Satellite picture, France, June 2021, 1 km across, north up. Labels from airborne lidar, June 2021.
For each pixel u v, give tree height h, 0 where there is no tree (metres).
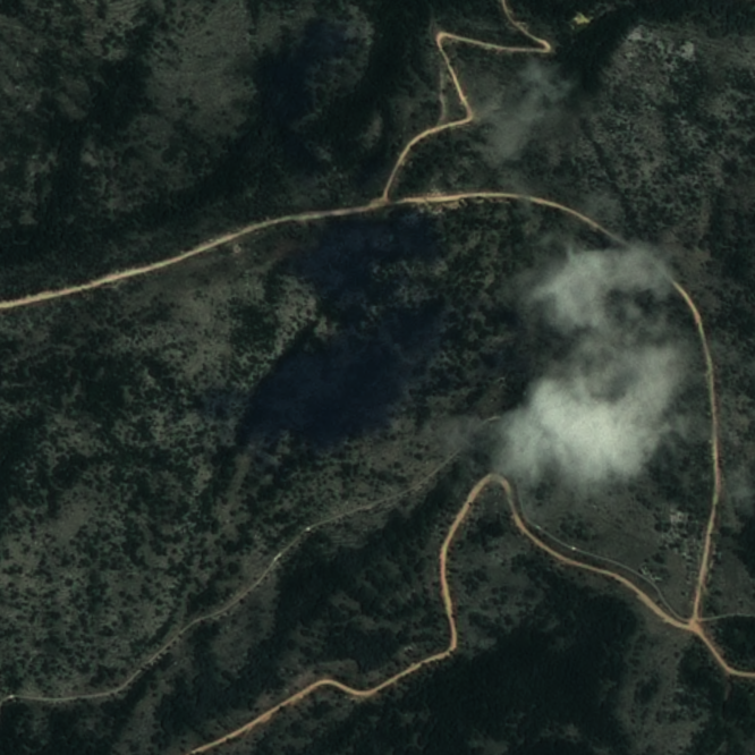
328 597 6
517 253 10
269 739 9
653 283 9
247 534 6
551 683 15
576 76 10
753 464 8
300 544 8
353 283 6
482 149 0
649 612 0
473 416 0
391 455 0
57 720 8
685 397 7
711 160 0
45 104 6
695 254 0
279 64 10
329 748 7
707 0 11
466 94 0
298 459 7
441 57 0
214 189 9
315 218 0
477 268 8
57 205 8
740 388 6
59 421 0
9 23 0
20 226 9
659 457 7
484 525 10
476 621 8
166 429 0
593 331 0
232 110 0
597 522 0
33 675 6
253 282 0
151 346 0
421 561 7
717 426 0
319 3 6
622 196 6
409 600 7
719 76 0
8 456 9
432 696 8
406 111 0
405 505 5
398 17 8
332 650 10
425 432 0
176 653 0
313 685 0
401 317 10
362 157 6
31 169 0
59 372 7
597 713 9
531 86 8
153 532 8
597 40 14
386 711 9
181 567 6
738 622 12
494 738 8
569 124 0
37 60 6
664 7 9
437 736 9
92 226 6
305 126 7
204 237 0
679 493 7
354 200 0
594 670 11
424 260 0
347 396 7
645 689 6
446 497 7
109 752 7
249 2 7
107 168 6
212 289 0
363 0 7
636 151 0
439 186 0
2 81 0
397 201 0
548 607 9
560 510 0
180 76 0
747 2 7
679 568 0
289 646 10
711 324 7
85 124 8
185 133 6
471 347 8
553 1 10
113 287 0
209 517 7
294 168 6
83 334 5
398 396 0
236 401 0
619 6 8
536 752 12
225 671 7
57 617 7
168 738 8
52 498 7
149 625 0
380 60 15
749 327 8
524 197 0
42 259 7
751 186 0
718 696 9
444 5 6
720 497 0
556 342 0
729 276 7
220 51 0
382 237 0
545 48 0
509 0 8
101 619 0
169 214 9
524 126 0
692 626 0
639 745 0
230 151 12
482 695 10
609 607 13
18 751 8
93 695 0
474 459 8
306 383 0
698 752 6
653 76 0
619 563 0
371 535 7
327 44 0
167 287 0
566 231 7
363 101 10
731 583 0
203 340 0
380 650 12
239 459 0
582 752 9
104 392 7
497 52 0
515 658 12
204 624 11
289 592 11
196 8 0
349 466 8
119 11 0
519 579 0
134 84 9
